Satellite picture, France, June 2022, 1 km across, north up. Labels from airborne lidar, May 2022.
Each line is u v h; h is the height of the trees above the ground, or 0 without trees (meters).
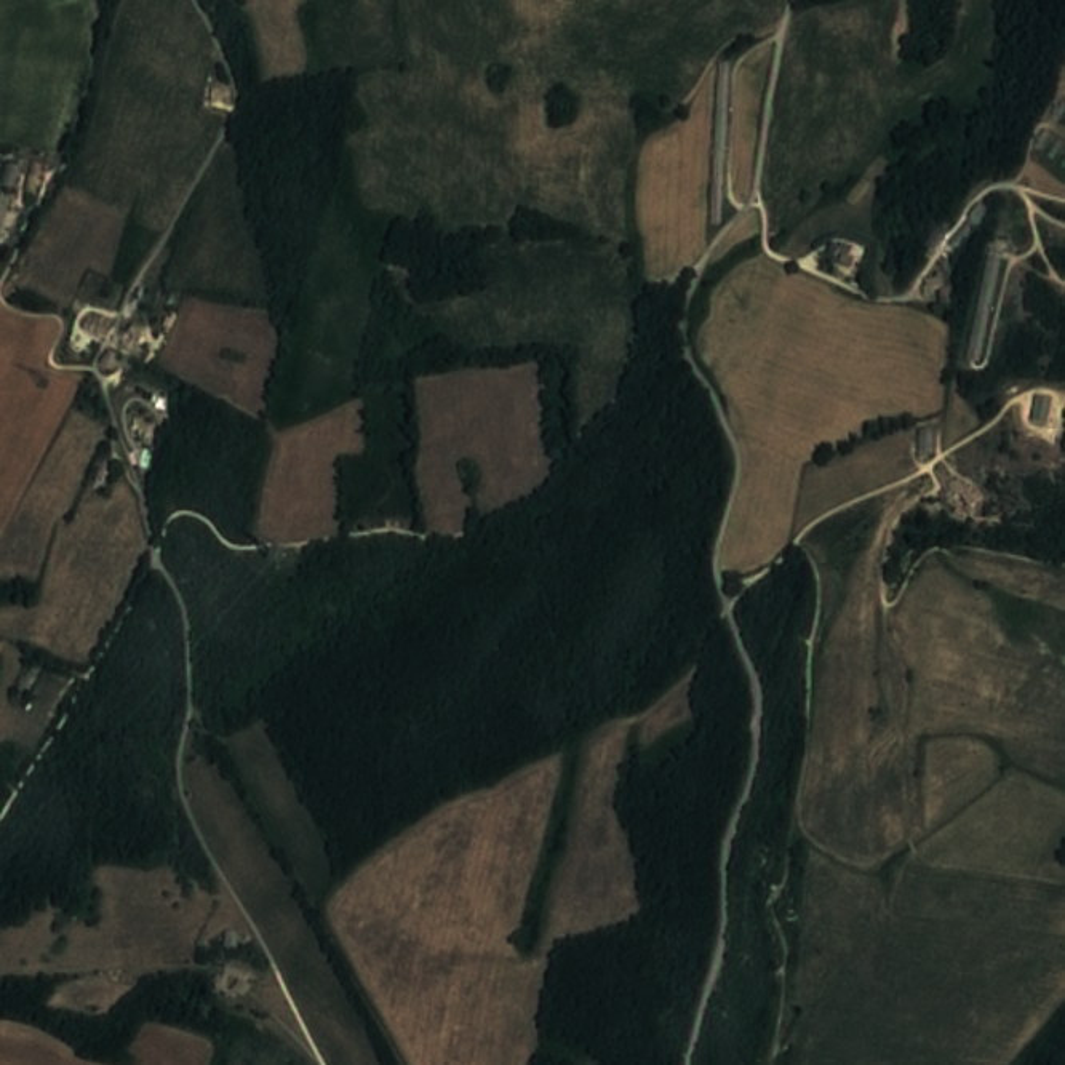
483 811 0
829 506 0
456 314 0
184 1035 0
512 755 10
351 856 11
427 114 0
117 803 12
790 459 0
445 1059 0
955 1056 0
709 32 0
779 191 0
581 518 11
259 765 0
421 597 9
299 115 14
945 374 9
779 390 0
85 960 0
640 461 21
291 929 0
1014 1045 0
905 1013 0
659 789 16
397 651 11
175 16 0
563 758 0
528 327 0
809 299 0
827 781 0
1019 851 0
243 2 7
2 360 0
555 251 0
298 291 10
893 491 0
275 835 0
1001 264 0
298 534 0
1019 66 6
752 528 0
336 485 10
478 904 0
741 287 0
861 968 0
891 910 0
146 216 0
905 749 0
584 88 0
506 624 7
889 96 0
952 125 9
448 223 0
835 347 0
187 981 9
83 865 8
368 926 0
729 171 0
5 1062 0
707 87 0
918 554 8
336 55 0
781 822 12
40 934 0
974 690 0
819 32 0
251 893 0
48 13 0
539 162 0
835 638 0
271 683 13
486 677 11
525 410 0
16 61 0
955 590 0
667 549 9
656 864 14
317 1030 0
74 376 0
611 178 0
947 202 9
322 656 14
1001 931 0
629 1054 10
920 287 0
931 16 13
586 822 0
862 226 0
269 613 7
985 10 0
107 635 10
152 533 9
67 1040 13
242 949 7
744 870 7
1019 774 0
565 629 12
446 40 0
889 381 0
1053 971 0
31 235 9
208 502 6
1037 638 0
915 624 0
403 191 0
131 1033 13
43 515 0
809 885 0
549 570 9
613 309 0
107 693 10
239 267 0
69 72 0
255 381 0
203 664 8
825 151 0
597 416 11
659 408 19
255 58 10
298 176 9
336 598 8
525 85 0
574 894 0
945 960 0
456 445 0
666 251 0
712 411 19
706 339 0
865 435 9
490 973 0
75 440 0
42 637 0
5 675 0
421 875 0
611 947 13
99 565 0
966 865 0
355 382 9
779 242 12
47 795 6
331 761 13
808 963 0
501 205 0
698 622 13
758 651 7
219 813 0
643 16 0
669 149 0
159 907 0
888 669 0
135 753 7
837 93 0
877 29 0
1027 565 0
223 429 9
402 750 7
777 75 0
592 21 0
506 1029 0
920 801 0
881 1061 0
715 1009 7
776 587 9
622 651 7
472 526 12
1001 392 0
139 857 6
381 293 14
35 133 0
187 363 0
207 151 0
